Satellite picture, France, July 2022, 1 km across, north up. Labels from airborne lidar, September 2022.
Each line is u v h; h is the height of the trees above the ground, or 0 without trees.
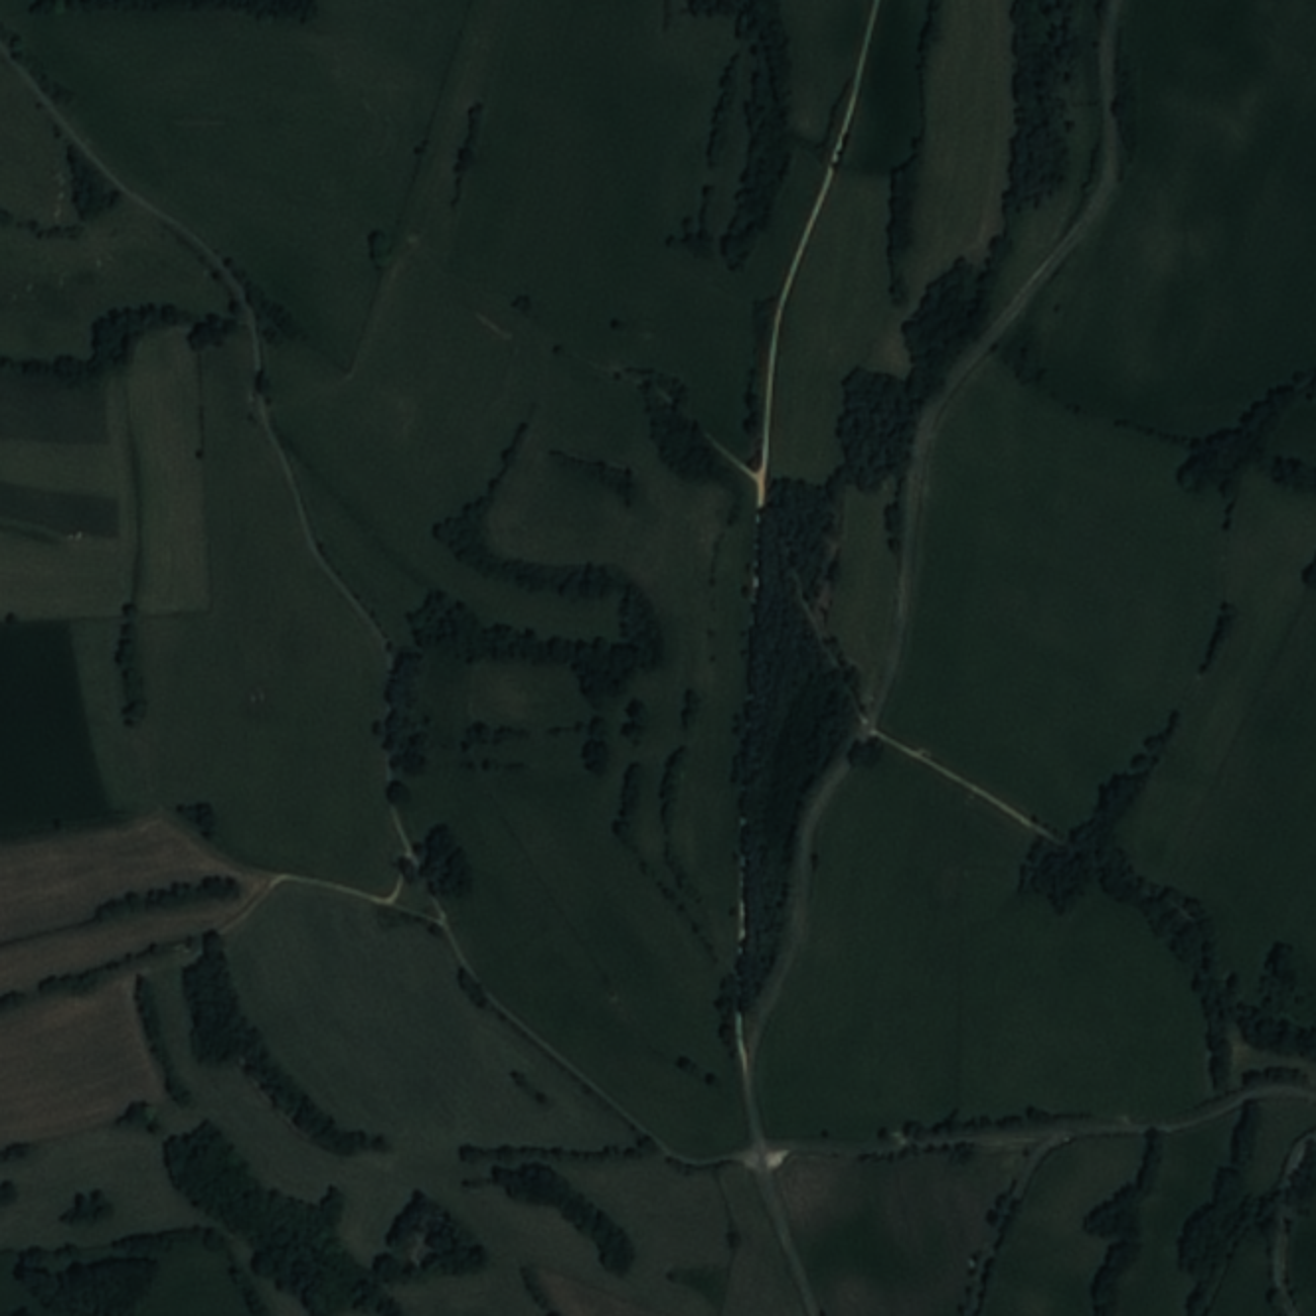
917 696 0
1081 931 0
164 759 0
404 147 0
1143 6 0
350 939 0
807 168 0
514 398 0
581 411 0
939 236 0
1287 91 0
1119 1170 0
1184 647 0
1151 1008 0
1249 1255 0
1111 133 0
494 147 0
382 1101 0
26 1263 13
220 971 17
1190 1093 0
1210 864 0
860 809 0
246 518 0
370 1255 0
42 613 0
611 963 0
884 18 0
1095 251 0
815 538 15
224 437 0
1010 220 10
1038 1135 0
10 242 0
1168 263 0
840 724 20
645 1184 0
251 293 13
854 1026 0
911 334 16
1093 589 0
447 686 0
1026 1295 0
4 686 0
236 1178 9
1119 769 0
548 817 0
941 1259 0
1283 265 0
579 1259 0
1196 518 0
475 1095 0
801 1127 0
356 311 0
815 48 0
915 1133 14
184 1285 0
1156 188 0
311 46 0
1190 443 7
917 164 7
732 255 13
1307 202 0
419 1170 0
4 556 0
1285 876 0
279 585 0
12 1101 0
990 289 12
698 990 0
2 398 0
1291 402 17
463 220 0
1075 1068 0
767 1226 0
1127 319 0
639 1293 0
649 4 0
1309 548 0
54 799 0
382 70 0
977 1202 0
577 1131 0
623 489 11
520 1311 0
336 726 0
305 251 0
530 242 0
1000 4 0
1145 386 0
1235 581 0
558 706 0
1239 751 0
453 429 0
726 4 13
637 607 17
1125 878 19
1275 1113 0
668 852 6
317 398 0
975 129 0
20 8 0
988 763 0
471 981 11
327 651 0
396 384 0
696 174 0
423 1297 0
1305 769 0
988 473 0
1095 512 0
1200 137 0
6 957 0
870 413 13
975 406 0
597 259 0
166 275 0
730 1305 0
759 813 18
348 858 0
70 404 0
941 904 0
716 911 0
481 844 0
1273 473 6
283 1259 15
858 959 0
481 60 0
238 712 0
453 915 0
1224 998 11
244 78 0
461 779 0
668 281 0
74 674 0
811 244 0
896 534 13
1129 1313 0
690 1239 0
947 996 0
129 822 0
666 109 0
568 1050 0
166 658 0
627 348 0
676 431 12
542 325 0
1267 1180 0
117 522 0
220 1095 0
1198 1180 0
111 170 0
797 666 16
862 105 0
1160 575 0
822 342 0
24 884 0
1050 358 0
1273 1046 18
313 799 0
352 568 0
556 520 0
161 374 0
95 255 0
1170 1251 0
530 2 0
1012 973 0
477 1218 0
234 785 0
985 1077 0
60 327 0
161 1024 12
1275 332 0
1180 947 15
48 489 0
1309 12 0
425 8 0
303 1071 0
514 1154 15
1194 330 0
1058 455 0
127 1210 0
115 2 13
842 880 0
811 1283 0
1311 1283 0
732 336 0
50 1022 0
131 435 0
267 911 0
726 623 0
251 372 0
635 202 0
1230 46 0
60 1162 0
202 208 0
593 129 0
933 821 0
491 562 6
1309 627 0
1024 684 0
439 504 0
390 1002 0
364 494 0
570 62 0
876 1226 0
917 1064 0
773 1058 0
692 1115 0
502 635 15
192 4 9
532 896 0
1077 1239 0
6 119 0
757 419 13
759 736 21
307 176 0
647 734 13
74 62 0
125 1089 0
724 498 0
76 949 0
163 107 0
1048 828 8
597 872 0
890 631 0
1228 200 0
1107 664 0
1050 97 14
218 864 0
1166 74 0
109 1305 17
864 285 0
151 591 0
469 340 0
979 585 0
